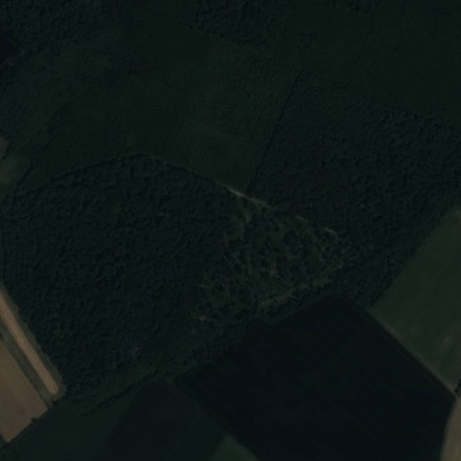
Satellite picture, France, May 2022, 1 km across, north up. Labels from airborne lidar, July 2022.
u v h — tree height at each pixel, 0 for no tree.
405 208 23
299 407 0
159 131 11
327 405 0
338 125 19
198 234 28
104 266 30
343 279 27
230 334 26
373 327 0
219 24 24
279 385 0
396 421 0
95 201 29
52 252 24
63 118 12
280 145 19
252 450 0
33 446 0
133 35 11
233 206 28
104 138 14
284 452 0
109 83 10
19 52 0
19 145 18
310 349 0
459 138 24
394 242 29
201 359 23
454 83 14
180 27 11
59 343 21
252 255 7
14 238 18
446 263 0
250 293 25
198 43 11
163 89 9
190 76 10
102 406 15
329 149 25
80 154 15
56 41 26
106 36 22
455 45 14
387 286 23
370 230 29
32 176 14
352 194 28
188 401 0
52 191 24
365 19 7
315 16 9
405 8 15
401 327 0
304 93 20
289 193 26
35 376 0
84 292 30
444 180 23
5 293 0
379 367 0
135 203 30
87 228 30
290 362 0
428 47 14
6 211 18
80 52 23
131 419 0
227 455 0
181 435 0
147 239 30
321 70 9
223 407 0
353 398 0
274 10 25
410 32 15
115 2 9
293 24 8
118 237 29
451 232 0
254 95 6
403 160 28
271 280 28
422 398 0
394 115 24
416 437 0
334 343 0
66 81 18
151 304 24
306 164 25
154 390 0
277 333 0
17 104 22
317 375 0
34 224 27
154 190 30
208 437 0
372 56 15
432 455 0
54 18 10
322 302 0
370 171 30
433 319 0
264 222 28
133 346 27
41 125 22
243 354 0
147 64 11
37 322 28
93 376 28
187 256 24
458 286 0
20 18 24
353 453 0
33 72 22
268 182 20
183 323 29
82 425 0
